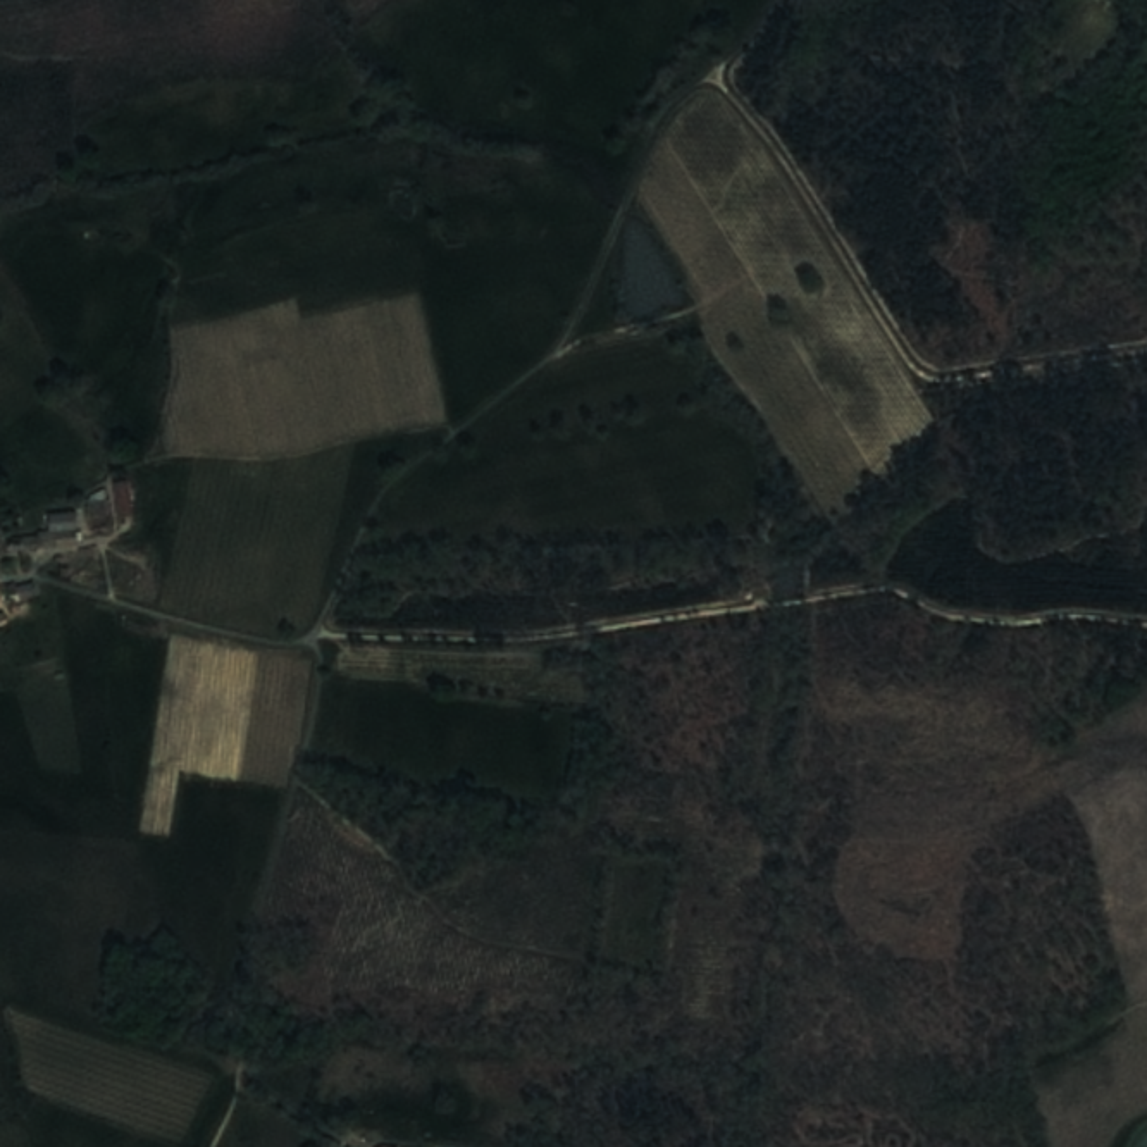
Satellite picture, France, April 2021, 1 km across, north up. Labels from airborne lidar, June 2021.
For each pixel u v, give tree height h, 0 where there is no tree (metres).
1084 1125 0
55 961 0
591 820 9
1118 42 6
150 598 0
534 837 17
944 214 13
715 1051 9
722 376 14
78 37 0
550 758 0
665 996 24
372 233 0
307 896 0
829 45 14
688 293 0
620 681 12
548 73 0
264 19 0
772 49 9
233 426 0
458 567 18
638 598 6
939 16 11
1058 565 8
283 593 0
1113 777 0
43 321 0
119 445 13
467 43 0
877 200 11
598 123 0
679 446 0
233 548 0
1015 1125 16
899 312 14
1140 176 13
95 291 0
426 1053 8
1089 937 12
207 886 0
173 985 18
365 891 0
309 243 0
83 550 0
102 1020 11
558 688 0
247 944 18
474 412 0
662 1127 19
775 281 0
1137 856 0
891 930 0
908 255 15
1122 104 14
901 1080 15
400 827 25
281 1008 14
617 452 0
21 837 0
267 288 0
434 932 0
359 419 0
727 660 10
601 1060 18
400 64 0
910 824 0
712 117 0
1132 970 0
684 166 0
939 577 7
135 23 0
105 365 0
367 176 0
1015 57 8
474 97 0
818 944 6
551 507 0
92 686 0
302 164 0
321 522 0
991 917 14
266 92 0
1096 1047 0
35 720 0
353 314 0
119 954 21
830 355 0
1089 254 19
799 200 0
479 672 0
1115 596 7
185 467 0
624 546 18
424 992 0
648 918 0
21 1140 0
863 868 0
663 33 0
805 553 17
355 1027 18
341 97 0
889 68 13
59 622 0
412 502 0
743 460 0
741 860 0
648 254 0
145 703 0
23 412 0
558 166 0
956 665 7
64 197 0
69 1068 0
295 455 0
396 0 0
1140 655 8
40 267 0
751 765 20
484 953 0
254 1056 20
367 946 0
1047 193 17
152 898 0
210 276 0
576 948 0
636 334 14
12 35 0
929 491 18
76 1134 0
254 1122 0
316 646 0
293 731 0
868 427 0
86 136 0
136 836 0
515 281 0
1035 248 15
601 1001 10
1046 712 9
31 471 0
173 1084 0
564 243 0
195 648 0
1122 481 22
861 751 0
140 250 0
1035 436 21
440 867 13
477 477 0
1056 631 8
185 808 0
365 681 0
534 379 0
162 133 0
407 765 0
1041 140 17
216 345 0
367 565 15
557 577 17
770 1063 20
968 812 0
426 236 0
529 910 0
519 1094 0
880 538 10
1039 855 9
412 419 0
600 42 0
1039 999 15
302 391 0
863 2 18
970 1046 12
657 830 0
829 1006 9
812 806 15
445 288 0
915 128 15
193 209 0
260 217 0
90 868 0
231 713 0
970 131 9
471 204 0
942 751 0
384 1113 0
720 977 0
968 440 19
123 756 0
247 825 0
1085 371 15
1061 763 0
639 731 6
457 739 0
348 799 16
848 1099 11
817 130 17
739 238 0
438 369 0
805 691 22
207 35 0
